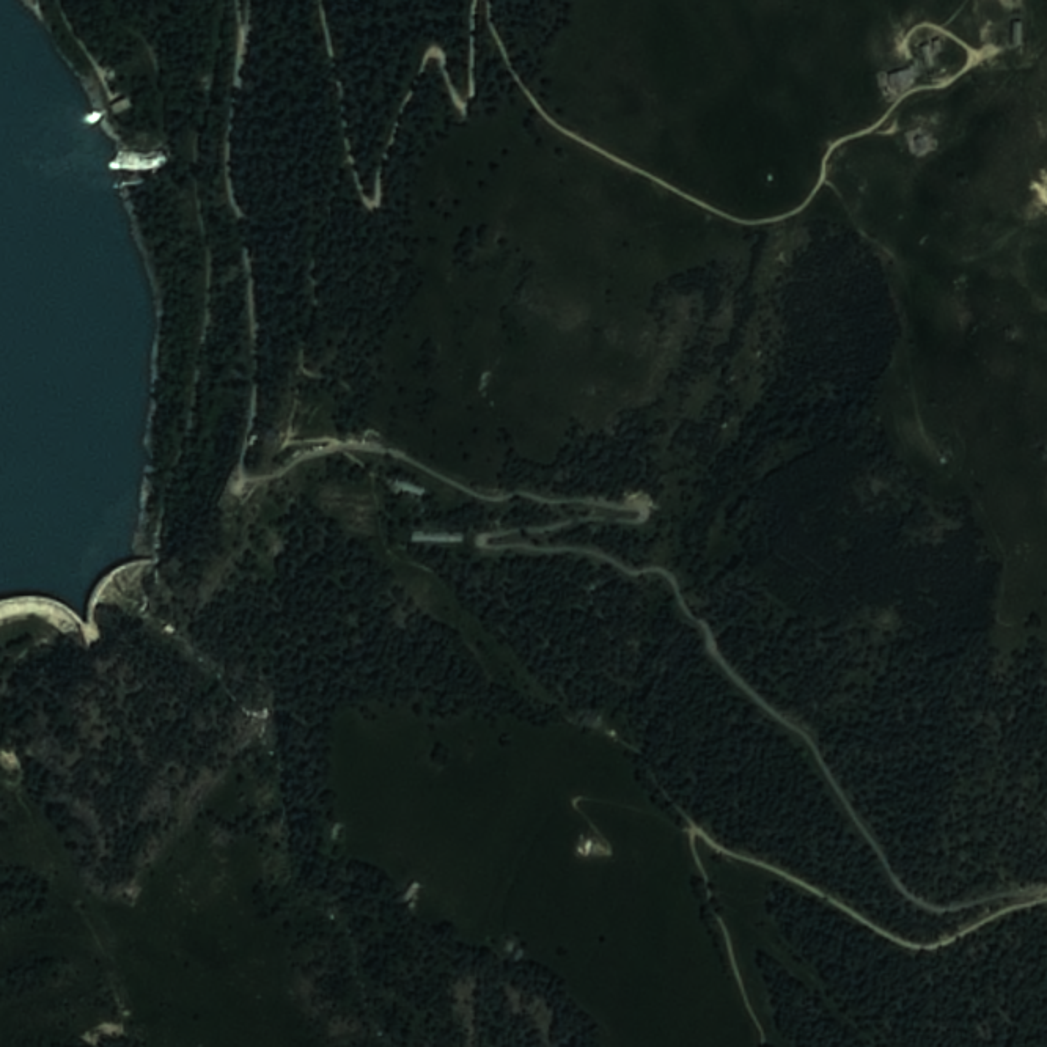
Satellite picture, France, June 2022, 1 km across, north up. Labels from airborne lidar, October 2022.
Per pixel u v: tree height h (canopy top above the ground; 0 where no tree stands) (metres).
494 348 0
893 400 0
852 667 14
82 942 0
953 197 0
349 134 11
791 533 8
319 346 10
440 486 0
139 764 11
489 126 0
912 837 12
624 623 16
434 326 0
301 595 18
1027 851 13
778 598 9
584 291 0
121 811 15
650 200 0
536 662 15
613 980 0
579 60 0
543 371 0
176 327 11
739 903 0
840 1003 15
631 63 0
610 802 0
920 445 0
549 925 0
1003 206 0
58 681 10
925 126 0
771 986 20
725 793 17
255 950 0
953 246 0
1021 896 0
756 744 20
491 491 0
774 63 0
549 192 0
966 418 0
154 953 0
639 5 0
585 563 12
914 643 8
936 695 14
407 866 0
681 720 19
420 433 0
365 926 16
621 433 12
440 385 0
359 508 0
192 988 0
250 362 0
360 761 0
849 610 7
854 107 0
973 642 13
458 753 0
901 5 0
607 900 0
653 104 0
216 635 18
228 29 11
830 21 0
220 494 8
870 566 8
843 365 7
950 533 7
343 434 20
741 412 6
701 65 0
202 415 9
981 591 9
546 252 0
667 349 0
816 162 0
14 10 0
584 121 0
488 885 0
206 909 0
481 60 9
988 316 0
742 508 11
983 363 0
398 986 12
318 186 10
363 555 11
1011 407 0
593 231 0
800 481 8
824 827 11
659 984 0
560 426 0
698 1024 0
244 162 15
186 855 0
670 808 22
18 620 0
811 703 8
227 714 11
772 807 19
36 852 0
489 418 0
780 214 0
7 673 9
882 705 7
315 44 6
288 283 14
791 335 6
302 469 0
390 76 11
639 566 11
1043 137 0
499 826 0
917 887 10
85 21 8
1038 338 0
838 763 13
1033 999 8
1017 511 0
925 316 0
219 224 21
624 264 0
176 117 14
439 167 0
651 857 0
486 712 10
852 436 11
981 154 0
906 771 12
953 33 0
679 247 0
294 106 17
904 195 0
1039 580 0
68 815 10
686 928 0
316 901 12
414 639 12
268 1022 0
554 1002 15
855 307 6
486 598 17
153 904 0
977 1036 16
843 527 8
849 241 6
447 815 0
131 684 6
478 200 0
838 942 26
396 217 11
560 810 0
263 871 0
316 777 14
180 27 13
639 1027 0
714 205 0
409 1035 19
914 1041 14
